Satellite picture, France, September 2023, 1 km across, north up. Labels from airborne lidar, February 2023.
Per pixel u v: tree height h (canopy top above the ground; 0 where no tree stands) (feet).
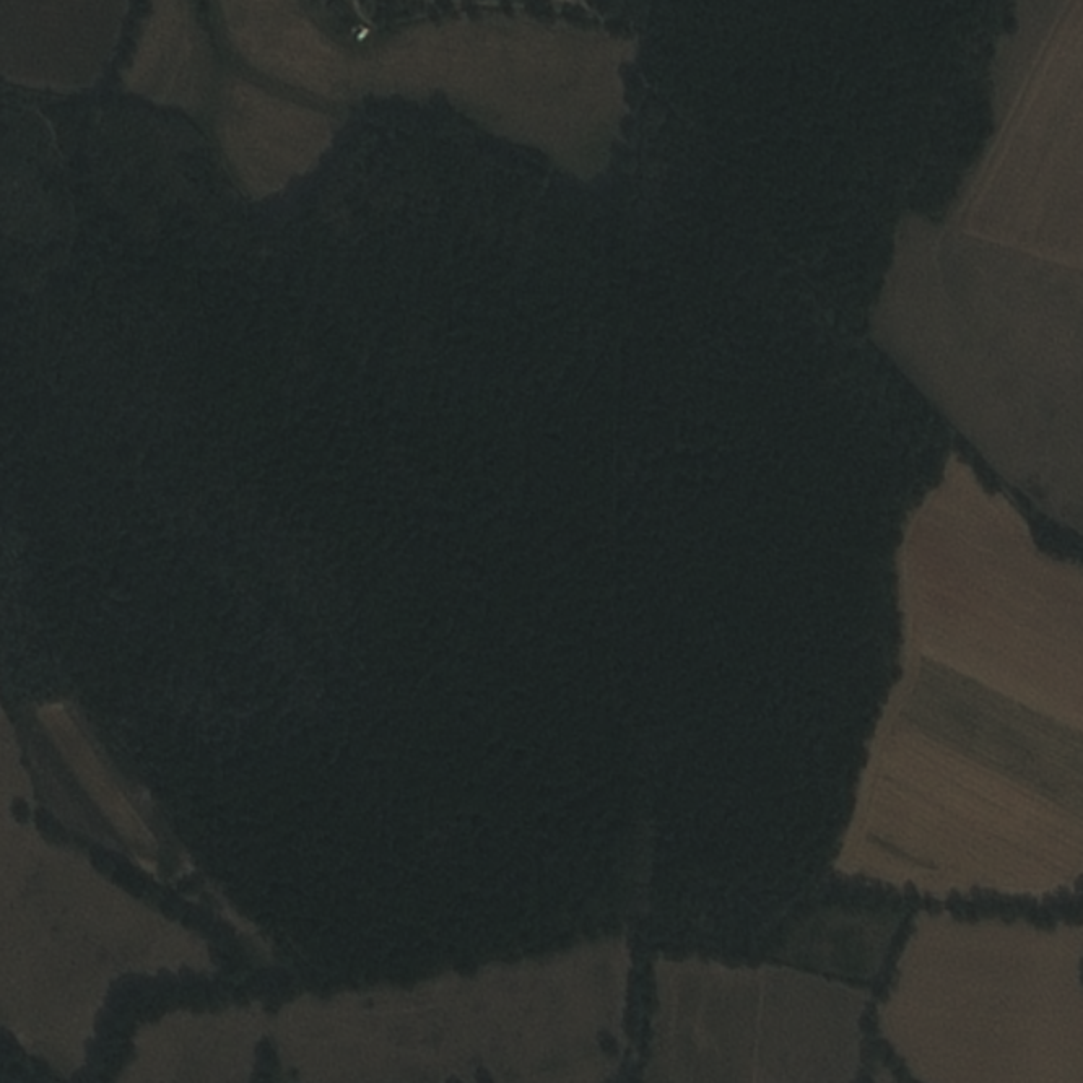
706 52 78
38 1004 0
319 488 61
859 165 73
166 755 73
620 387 58
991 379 0
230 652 54
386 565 69
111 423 70
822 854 65
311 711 55
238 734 60
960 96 86
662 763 76
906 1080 42
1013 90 0
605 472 71
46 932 0
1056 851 0
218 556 79
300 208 77
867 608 73
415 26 0
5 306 63
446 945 73
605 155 0
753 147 71
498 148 56
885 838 0
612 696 65
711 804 79
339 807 74
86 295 66
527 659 83
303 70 0
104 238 62
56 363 74
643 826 60
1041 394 0
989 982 0
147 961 0
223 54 0
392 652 63
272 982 65
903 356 0
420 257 70
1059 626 0
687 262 75
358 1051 0
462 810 72
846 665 78
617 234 80
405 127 55
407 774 76
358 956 80
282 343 66
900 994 0
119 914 0
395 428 60
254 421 50
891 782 0
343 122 0
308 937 68
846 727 81
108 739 0
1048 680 0
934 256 0
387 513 71
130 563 88
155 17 0
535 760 74
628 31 51
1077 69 0
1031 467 0
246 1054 0
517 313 76
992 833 0
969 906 49
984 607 0
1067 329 0
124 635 85
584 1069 0
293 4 0
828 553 71
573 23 38
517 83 0
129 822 0
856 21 80
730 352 74
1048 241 0
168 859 0
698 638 74
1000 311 0
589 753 79
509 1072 0
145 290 61
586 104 0
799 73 82
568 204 68
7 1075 88
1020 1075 0
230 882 73
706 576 81
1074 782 0
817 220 81
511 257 74
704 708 81
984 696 0
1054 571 0
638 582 74
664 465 73
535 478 68
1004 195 0
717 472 75
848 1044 0
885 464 73
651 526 74
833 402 73
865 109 86
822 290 72
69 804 0
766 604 78
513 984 0
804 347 70
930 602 0
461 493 67
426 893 81
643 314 73
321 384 72
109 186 61
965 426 0
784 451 76
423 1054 0
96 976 0
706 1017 0
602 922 79
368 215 72
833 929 0
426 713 79
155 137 63
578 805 75
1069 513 0
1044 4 0
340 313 55
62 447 80
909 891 37
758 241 70
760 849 83
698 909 60
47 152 18
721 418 79
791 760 80
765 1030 0
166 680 44
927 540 0
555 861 78
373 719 67
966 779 0
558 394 72
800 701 79
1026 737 0
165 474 49
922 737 0
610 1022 0
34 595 64
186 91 0
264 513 48
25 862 0
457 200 78
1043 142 0
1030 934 0
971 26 63
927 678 0
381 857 65
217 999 68
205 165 66
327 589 33
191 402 56
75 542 74
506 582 75
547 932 74
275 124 0
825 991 0
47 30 0
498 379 62
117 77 61
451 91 0
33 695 64
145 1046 0
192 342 62
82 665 78
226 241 69
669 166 72
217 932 78
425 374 65
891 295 0
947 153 59
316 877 76
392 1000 0
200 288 73
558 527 75
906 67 79
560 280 67
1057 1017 0
